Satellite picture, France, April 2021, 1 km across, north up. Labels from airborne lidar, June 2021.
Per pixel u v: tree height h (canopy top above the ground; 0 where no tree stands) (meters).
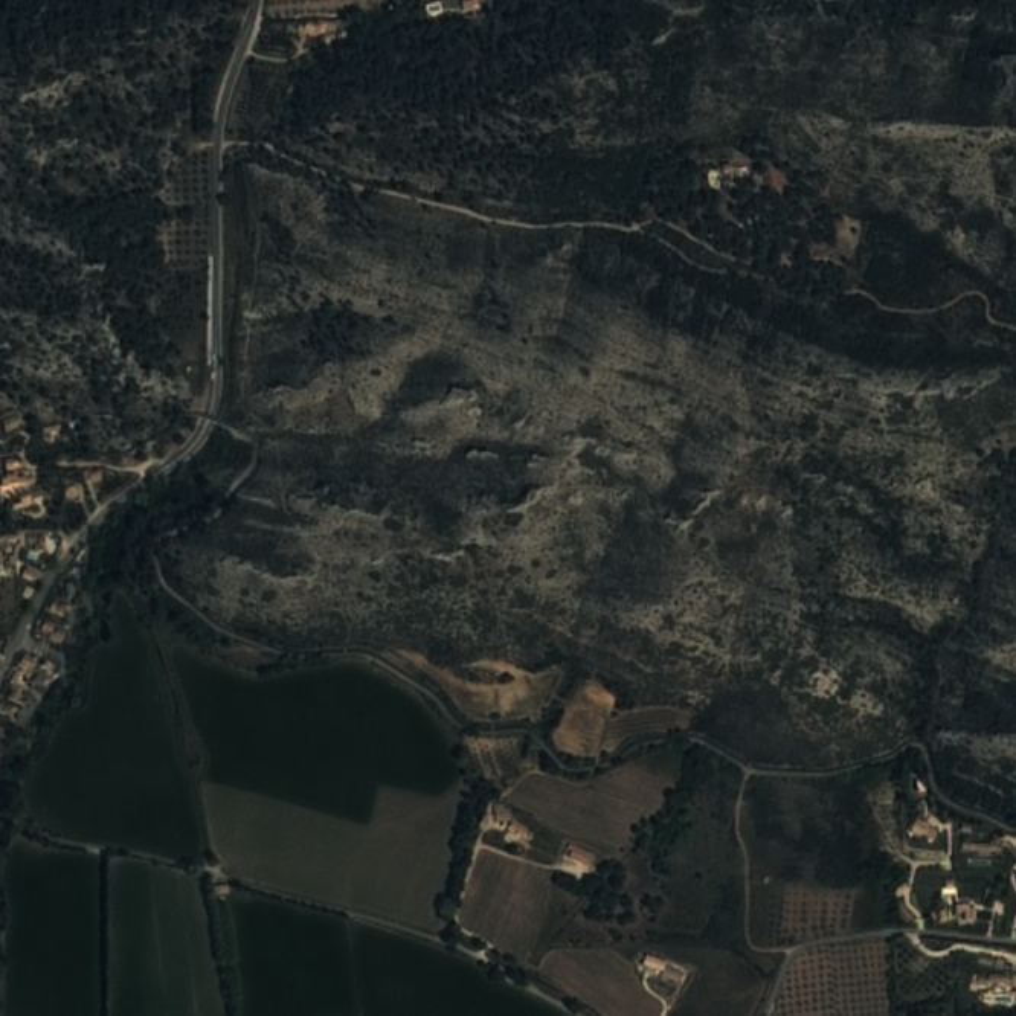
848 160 0
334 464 0
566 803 0
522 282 0
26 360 0
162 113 10
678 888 0
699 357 0
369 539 0
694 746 8
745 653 0
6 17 8
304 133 10
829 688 0
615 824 0
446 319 0
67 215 13
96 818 0
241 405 0
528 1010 0
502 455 0
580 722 0
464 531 0
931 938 7
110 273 10
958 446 0
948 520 0
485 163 12
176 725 0
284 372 0
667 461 0
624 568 0
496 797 12
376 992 0
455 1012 0
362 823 0
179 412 13
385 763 0
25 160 10
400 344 0
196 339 0
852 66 0
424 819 0
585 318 0
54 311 6
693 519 0
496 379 0
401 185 12
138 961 0
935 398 0
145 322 11
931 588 0
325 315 8
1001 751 0
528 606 0
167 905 0
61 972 0
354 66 9
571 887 14
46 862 0
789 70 0
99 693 0
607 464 0
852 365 0
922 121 0
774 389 0
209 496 5
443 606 0
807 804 0
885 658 0
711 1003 0
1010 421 0
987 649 0
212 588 0
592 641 0
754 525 0
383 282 0
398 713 0
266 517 0
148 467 0
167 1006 0
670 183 14
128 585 8
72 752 0
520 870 0
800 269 11
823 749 0
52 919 0
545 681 0
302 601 0
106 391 9
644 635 0
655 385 0
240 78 0
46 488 6
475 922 0
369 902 0
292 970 0
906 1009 7
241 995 18
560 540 0
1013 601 0
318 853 0
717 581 0
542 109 10
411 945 0
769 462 0
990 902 8
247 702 0
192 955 0
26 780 22
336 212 6
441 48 13
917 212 0
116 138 8
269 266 0
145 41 10
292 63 7
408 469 0
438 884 0
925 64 0
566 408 0
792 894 0
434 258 7
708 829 0
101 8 9
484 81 7
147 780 0
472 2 0
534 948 0
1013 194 0
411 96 8
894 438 0
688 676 0
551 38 9
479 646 0
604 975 0
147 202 12
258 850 0
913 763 11
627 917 9
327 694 0
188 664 0
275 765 0
